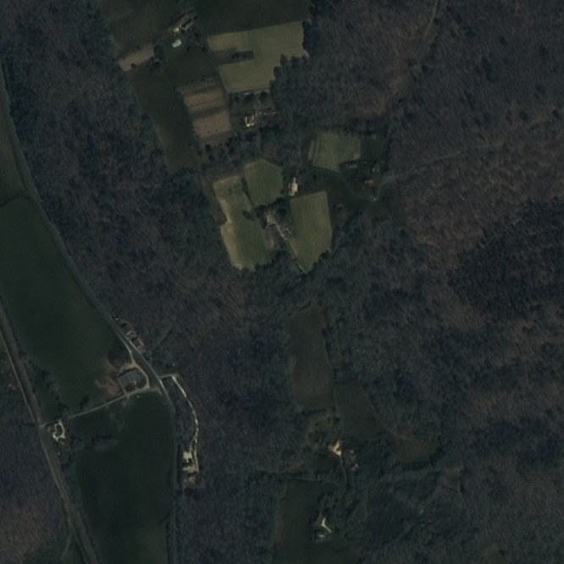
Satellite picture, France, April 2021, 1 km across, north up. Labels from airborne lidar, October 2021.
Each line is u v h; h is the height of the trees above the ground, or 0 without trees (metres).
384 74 13
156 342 15
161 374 0
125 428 0
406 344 28
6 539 18
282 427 26
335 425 15
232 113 13
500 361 19
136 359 0
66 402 0
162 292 22
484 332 23
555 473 20
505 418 22
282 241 12
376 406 19
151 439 0
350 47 16
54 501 16
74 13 21
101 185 29
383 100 8
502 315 23
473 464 25
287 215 16
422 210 12
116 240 16
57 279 0
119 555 0
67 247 17
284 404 21
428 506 10
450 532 12
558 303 21
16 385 0
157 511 0
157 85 0
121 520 0
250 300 17
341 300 23
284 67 20
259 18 0
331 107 17
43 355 0
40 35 21
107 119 16
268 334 21
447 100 11
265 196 0
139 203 18
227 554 24
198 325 17
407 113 31
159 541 0
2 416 23
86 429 0
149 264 17
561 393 22
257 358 27
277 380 26
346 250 25
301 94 22
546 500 24
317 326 0
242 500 26
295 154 21
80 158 16
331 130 15
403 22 14
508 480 19
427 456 0
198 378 19
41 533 21
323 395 0
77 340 0
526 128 13
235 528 26
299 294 22
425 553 23
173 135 0
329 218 0
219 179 13
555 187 11
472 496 22
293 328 0
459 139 11
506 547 25
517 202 11
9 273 0
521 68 13
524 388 19
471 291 22
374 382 18
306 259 0
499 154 13
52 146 14
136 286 16
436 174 11
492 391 27
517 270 21
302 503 0
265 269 8
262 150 19
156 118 0
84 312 0
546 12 13
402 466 6
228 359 19
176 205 24
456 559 28
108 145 14
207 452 20
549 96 21
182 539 17
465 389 17
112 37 11
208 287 21
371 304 25
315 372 0
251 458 21
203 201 21
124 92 21
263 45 0
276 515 22
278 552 0
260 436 30
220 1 0
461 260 14
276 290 13
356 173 9
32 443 21
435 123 20
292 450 24
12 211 0
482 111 13
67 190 13
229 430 21
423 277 21
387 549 20
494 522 25
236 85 0
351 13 13
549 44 11
